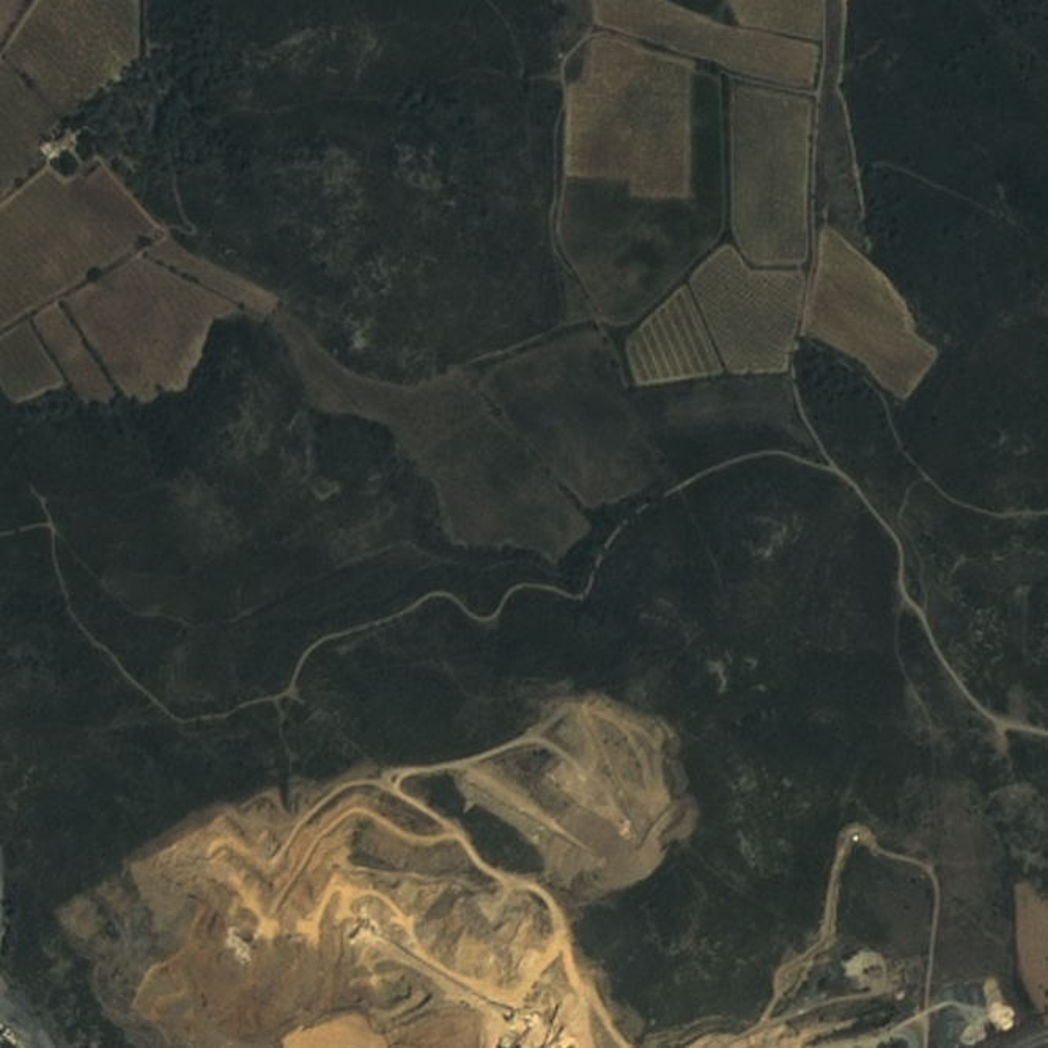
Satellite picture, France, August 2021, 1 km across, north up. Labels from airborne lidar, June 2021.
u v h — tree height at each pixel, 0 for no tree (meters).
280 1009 0
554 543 0
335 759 0
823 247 0
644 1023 0
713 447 0
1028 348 0
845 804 0
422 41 0
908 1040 0
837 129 0
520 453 0
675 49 0
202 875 0
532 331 0
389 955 0
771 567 0
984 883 0
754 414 0
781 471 0
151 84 15
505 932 0
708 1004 0
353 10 0
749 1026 0
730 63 0
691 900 0
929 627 0
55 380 0
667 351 0
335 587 0
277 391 0
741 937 0
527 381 0
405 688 0
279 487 0
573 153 0
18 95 0
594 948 0
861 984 0
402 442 0
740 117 0
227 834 0
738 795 0
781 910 0
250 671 0
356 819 0
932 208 0
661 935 0
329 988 0
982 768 0
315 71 0
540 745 0
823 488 0
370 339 0
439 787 0
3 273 0
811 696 0
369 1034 0
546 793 0
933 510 0
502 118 0
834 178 0
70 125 11
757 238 0
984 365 0
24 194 0
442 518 0
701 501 0
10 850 0
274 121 0
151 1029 0
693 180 0
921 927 0
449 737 0
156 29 8
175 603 0
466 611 0
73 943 0
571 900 0
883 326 0
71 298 0
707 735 0
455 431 0
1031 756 0
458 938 0
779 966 0
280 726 0
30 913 0
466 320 0
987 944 0
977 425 0
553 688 0
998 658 0
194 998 0
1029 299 0
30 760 0
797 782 0
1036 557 0
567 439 0
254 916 0
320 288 0
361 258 0
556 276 0
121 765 0
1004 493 0
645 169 0
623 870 0
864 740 0
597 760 0
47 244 0
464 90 0
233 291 0
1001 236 0
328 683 0
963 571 0
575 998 0
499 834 0
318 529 0
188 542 0
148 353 0
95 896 0
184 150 13
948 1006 0
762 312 0
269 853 0
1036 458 0
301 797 0
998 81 0
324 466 0
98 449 0
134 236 0
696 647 0
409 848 0
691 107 0
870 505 0
